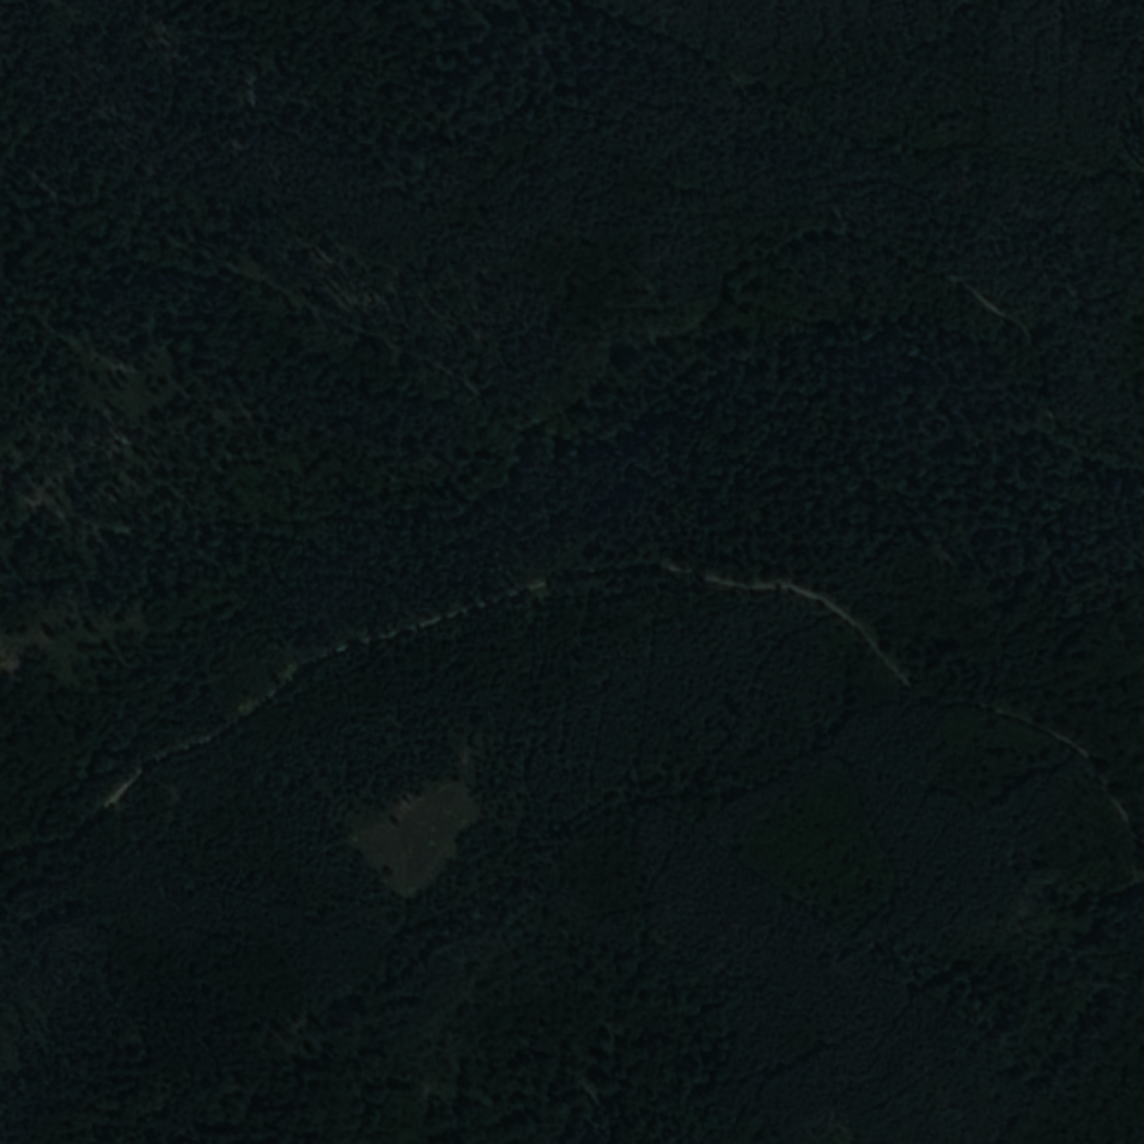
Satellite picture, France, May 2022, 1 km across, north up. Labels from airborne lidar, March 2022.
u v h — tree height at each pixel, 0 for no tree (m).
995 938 12
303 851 7
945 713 19
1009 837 18
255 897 14
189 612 15
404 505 21
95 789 22
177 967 16
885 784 20
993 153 21
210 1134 23
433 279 21
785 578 22
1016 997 13
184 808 9
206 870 10
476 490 21
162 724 9
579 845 11
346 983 15
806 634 8
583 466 32
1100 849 10
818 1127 16
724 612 11
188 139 18
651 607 7
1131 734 19
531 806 7
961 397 35
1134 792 18
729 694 11
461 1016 16
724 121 33
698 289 26
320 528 28
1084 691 15
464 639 7
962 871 20
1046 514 28
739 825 17
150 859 15
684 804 20
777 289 22
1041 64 22
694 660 12
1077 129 20
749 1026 19
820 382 23
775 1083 22
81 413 9
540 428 10
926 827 21
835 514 27
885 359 29
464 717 10
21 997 25
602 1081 31
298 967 13
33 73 29
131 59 34
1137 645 13
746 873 20
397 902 9
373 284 16
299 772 8
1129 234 23
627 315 13
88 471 11
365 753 7
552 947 15
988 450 22
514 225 25
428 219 22
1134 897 28
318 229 15
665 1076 13
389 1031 13
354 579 28
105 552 35
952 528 15
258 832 11
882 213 28
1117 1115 23
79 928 28
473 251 23
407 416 26
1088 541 30
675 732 8
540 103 26
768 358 27
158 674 25
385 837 0
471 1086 26
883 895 11
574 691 10
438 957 21
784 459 30
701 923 25
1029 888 10
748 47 27
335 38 24
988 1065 20
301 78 25
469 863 7
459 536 21
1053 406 25
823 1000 21
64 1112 21
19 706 12
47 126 20
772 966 24
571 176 25
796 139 24
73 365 13
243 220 39
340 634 25
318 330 24
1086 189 23
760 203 25
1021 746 8
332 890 11
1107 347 24
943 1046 22
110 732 20
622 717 12
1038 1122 22
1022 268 28
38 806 13
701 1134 11
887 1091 22
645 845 21
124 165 16
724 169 25
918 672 16
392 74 28
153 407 0
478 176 19
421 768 8
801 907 17
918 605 8
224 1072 14
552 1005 17
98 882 15
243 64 31
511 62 46
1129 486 29
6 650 0
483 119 21
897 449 33
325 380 23
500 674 8
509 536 20
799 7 24
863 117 23
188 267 28
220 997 27
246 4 25
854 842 10
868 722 21
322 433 9
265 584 25
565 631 9
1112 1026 22
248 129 29
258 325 18
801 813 14
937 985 20
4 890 18
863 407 44
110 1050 15
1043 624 16
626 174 22
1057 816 20
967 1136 24
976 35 15
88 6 23
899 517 13
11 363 10
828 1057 22
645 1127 8
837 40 21
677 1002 23
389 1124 34
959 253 33
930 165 27
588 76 31
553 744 11
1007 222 22
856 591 9
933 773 10
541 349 30
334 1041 17
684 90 29
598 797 9
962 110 12
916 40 14
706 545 10
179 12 25
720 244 28
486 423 28
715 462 27
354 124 23
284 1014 9
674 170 26
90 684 16
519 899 17
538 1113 21
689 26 25
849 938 19
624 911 15
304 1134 25
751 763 8
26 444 17
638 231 29
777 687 9
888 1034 26
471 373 8
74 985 20
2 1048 27
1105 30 19
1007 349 20
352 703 10
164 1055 17
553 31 34
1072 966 14
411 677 8
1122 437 30
